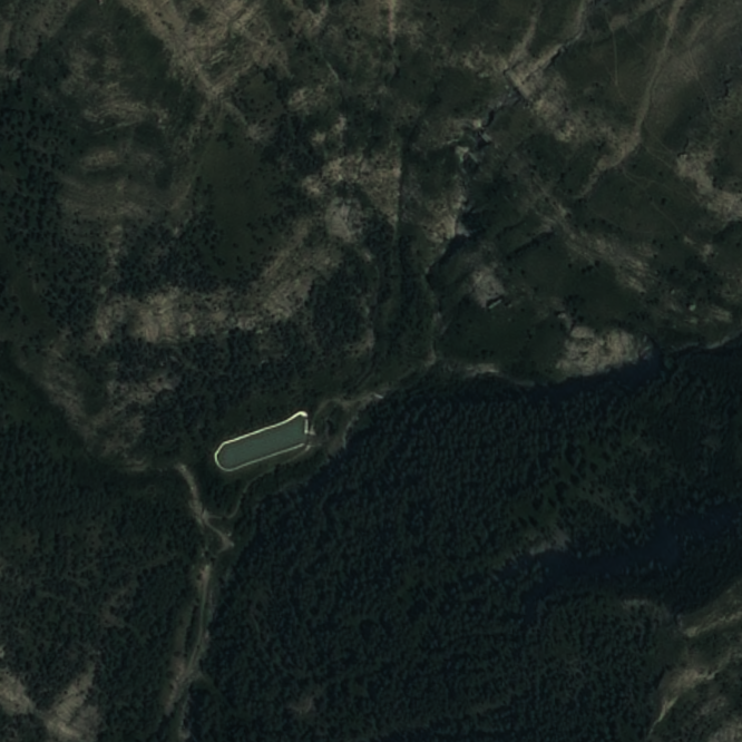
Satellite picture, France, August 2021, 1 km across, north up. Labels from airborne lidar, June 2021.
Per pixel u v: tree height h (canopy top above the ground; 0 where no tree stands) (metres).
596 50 0
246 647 28
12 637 12
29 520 25
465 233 0
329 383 0
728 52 0
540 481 21
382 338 10
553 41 0
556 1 0
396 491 23
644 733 8
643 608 10
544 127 0
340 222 0
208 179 0
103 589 7
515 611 18
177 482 6
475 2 0
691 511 7
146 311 0
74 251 9
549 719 18
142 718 30
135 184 0
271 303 0
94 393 6
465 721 15
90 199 0
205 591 0
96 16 0
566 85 0
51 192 18
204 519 0
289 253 0
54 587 11
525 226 0
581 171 0
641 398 26
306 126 7
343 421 0
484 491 27
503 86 0
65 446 12
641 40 0
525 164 0
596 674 12
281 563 9
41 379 0
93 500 25
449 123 0
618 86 0
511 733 18
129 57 0
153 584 27
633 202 0
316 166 7
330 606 30
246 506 13
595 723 17
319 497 21
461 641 28
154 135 0
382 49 0
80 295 16
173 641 28
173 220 0
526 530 15
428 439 26
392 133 0
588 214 0
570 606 16
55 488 30
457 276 0
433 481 28
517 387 11
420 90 0
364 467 16
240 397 6
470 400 9
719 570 8
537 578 24
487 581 29
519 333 0
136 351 12
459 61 0
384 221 9
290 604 8
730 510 7
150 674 26
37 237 7
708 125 0
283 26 0
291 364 15
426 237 0
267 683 26
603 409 11
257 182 0
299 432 0
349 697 23
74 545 14
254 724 11
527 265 0
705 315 0
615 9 0
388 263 6
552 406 8
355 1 7
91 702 12
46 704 9
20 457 30
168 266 10
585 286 0
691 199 0
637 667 6
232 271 0
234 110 0
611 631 16
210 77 0
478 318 0
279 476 16
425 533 29
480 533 20
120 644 25
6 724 7
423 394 8
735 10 0
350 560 23
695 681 0
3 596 11
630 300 0
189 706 0
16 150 7
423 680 24
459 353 0
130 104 0
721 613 0
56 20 0
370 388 0
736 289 0
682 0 0
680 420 5
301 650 22
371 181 0
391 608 29
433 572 33
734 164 0
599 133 0
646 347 0
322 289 9
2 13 0
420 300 8
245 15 0
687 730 10
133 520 7
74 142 10
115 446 0
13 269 0
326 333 11
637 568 10
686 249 0
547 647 14
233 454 0
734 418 17
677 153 0
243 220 0
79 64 0
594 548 17
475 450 28
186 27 0
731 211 0
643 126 0
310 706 0
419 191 0
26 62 11
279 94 9
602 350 0
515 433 25
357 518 27
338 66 0
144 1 0
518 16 0
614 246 0
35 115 20
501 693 13
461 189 0
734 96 0
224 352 26
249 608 6
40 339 9
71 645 22
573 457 23
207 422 13
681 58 0
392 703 23
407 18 0
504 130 0
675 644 0
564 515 8
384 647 24
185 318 0
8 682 0
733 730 0
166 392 12
